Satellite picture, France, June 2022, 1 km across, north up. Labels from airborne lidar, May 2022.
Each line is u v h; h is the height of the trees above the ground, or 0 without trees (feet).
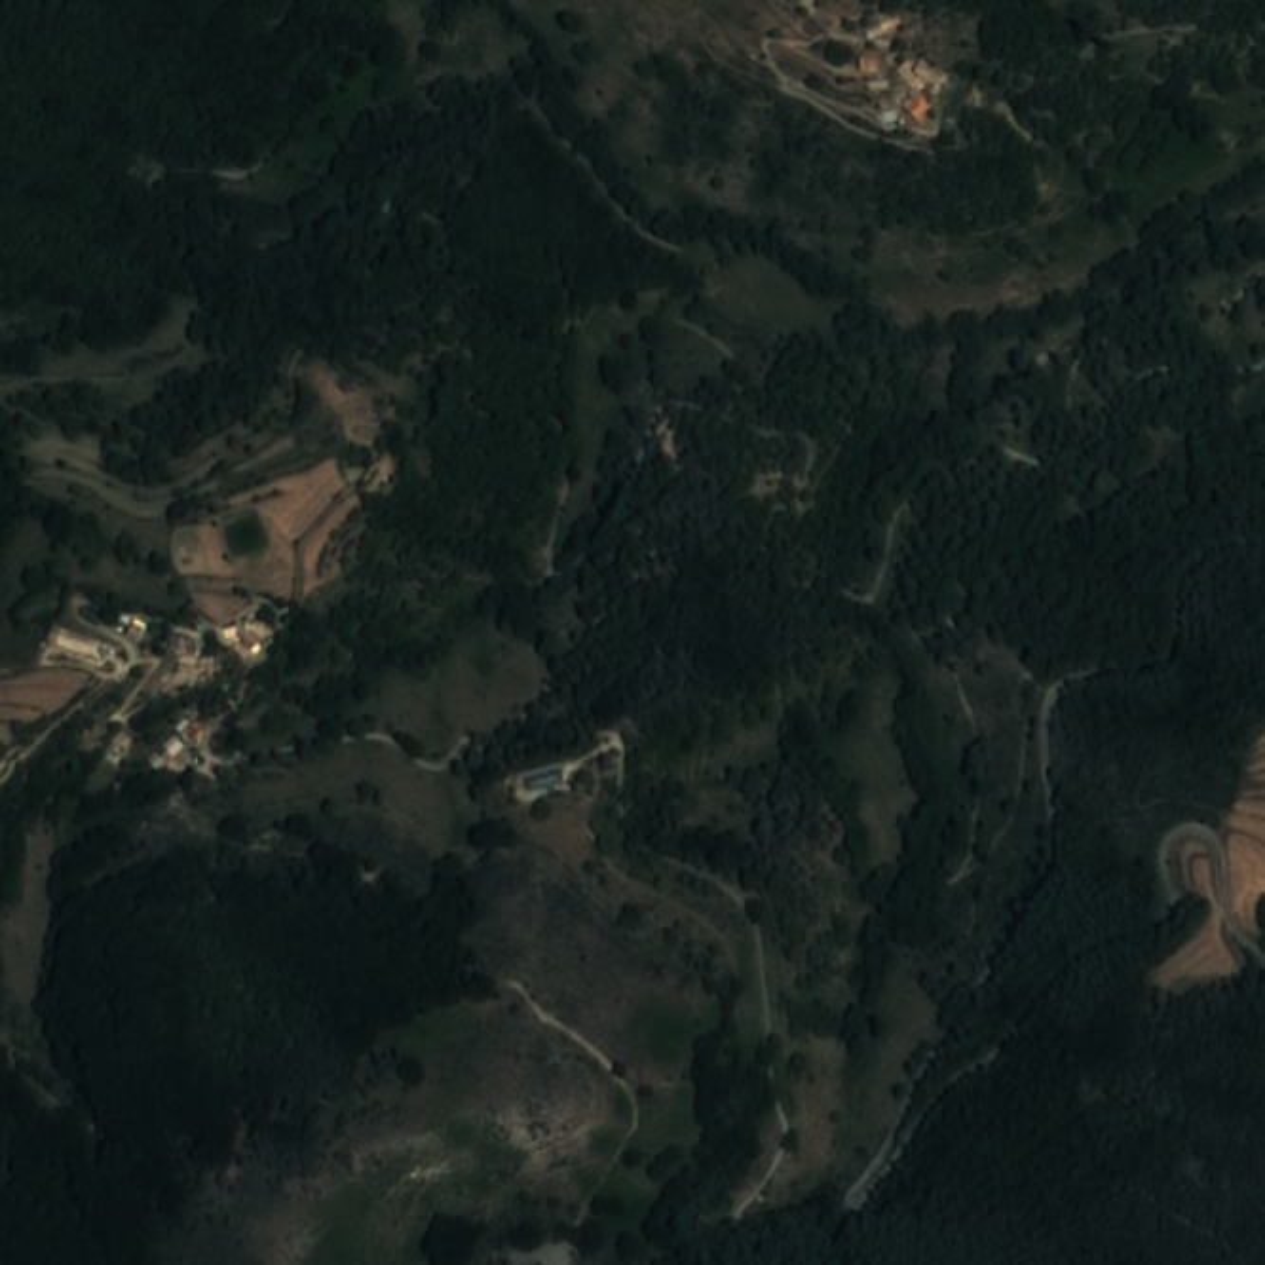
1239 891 0
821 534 47
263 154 61
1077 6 33
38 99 66
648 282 36
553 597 27
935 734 0
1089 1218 35
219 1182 19
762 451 30
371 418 0
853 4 0
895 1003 0
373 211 47
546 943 0
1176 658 44
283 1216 0
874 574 0
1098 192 38
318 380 0
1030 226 39
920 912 67
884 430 38
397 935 67
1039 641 23
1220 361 39
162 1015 69
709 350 0
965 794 0
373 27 39
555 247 42
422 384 34
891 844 0
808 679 46
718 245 32
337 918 58
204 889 35
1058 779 27
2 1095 50
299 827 45
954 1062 30
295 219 51
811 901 29
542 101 47
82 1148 57
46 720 24
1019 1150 39
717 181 34
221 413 48
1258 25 55
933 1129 22
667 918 0
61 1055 53
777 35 28
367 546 27
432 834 0
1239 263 41
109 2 66
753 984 0
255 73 73
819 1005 50
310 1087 61
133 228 69
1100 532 56
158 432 39
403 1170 0
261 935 54
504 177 64
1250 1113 45
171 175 49
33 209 41
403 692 0
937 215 24
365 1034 61
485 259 60
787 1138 34
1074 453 38
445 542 30
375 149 53
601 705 39
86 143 70
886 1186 29
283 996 48
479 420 52
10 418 28
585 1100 0
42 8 39
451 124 40
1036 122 44
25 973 0
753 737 0
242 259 35
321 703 68
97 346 38
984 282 0
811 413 43
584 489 0
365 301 24
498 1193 0
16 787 24
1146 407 43
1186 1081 39
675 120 0
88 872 31
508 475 41
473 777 29
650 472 47
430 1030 0
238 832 24
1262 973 27
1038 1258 52
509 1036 0
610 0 0
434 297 33
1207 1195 33
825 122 23
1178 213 81
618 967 0
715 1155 60
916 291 0
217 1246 0
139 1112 63
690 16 0
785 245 70
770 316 0
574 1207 38
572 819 0
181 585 23
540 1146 0
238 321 33
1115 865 50
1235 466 75
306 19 73
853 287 65
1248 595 60
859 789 44
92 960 47
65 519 61
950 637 41
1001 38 47
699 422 37
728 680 45
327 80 52
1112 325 58
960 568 51
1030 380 83
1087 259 0
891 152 42
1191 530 44
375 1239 0
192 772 42
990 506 49
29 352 65
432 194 34
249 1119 37
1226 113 0
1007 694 0
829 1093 0
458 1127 0
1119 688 79
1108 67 42
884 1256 87
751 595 75
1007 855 0
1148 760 19
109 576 0
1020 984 91
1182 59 38
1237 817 0
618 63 0
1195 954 0
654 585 38
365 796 37
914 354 42
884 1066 0
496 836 44
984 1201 31
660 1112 0
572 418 60
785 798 58
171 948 49
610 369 81
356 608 53
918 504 35
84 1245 55
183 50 61
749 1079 56
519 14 56
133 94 68
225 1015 27
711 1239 97
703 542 47
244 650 0
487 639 0
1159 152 54
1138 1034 50
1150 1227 39
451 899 68
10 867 25
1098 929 73
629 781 33
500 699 0
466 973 47
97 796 35
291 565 0
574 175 50
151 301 77
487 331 55
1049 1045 44
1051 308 68
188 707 28
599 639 35
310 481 0
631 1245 61
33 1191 44
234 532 0
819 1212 81
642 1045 0
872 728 0
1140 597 82
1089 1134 30
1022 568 34
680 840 47
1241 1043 59
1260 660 35
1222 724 19
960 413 51
